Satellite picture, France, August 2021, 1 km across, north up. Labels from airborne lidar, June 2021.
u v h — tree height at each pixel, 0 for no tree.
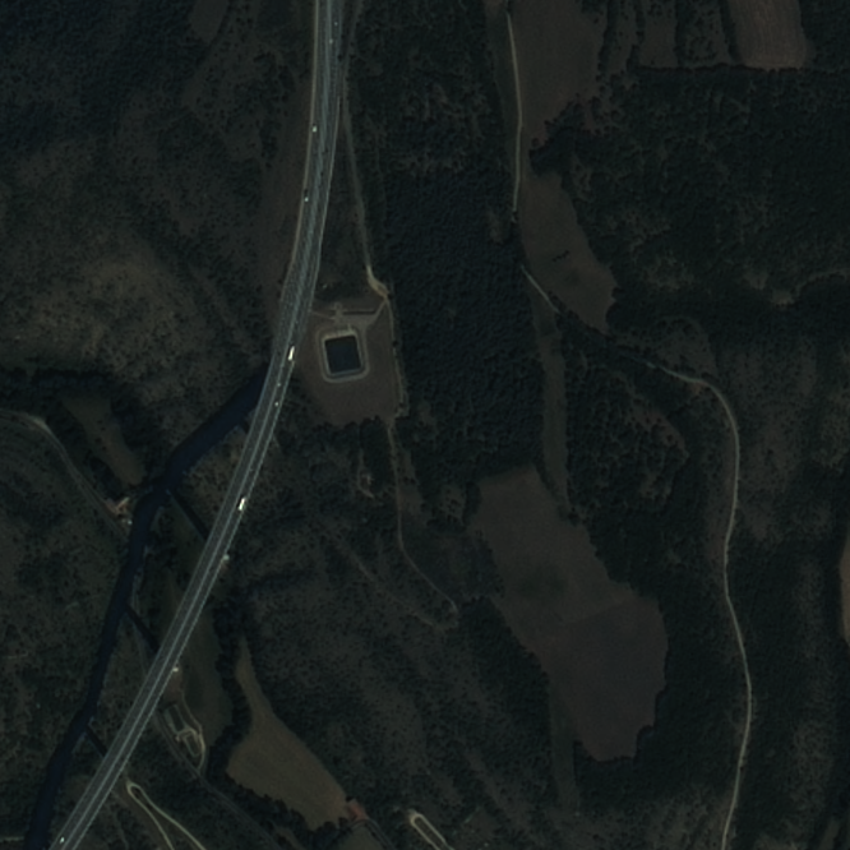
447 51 7
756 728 9
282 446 7
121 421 29
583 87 0
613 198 5
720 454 6
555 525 0
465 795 6
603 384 8
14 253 0
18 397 25
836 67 8
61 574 9
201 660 0
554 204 0
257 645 9
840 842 7
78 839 0
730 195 8
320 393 0
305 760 0
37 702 6
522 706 8
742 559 8
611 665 0
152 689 0
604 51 8
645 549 10
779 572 10
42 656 8
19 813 10
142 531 14
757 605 10
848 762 12
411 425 9
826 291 11
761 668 10
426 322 10
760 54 0
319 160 0
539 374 14
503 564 0
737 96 9
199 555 0
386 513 8
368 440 10
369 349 0
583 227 9
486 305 15
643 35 7
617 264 9
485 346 14
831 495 9
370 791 9
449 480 9
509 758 6
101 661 10
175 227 7
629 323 13
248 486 0
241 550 6
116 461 0
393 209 11
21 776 7
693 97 8
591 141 9
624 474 10
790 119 13
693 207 9
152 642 8
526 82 0
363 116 8
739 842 8
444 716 7
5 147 6
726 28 10
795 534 8
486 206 13
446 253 17
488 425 11
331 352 0
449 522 8
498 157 6
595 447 9
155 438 14
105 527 11
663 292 9
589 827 0
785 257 6
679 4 9
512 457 12
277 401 0
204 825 8
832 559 16
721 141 9
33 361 10
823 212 9
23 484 10
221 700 0
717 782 7
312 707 9
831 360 7
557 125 8
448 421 7
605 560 9
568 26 0
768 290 8
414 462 8
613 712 0
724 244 9
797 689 9
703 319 13
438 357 17
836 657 8
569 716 0
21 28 8
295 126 0
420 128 14
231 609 9
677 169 11
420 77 9
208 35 0
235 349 6
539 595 0
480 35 6
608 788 9
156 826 0
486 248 17
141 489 10
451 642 5
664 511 8
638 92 8
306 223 0
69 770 10
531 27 0
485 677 7
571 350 10
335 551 6
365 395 0
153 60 6
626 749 0
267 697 9
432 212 9
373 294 0
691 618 10
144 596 11
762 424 6
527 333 15
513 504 0
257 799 15
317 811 0
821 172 10
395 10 6
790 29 0
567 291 0
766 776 9
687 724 9
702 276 8
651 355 10
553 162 11
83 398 13
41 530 8
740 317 12
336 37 0
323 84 0
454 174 9
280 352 0
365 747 9
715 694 6
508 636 9
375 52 7
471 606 10
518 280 13
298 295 0
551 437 0
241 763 0
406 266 10
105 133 6
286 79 9
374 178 7
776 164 7
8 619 6
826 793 7
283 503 6
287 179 0
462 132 7
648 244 10
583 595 0
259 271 0
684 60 7
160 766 6
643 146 7
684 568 10
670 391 9
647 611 0
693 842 6
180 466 8
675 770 12
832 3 6
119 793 0
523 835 6
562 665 0
